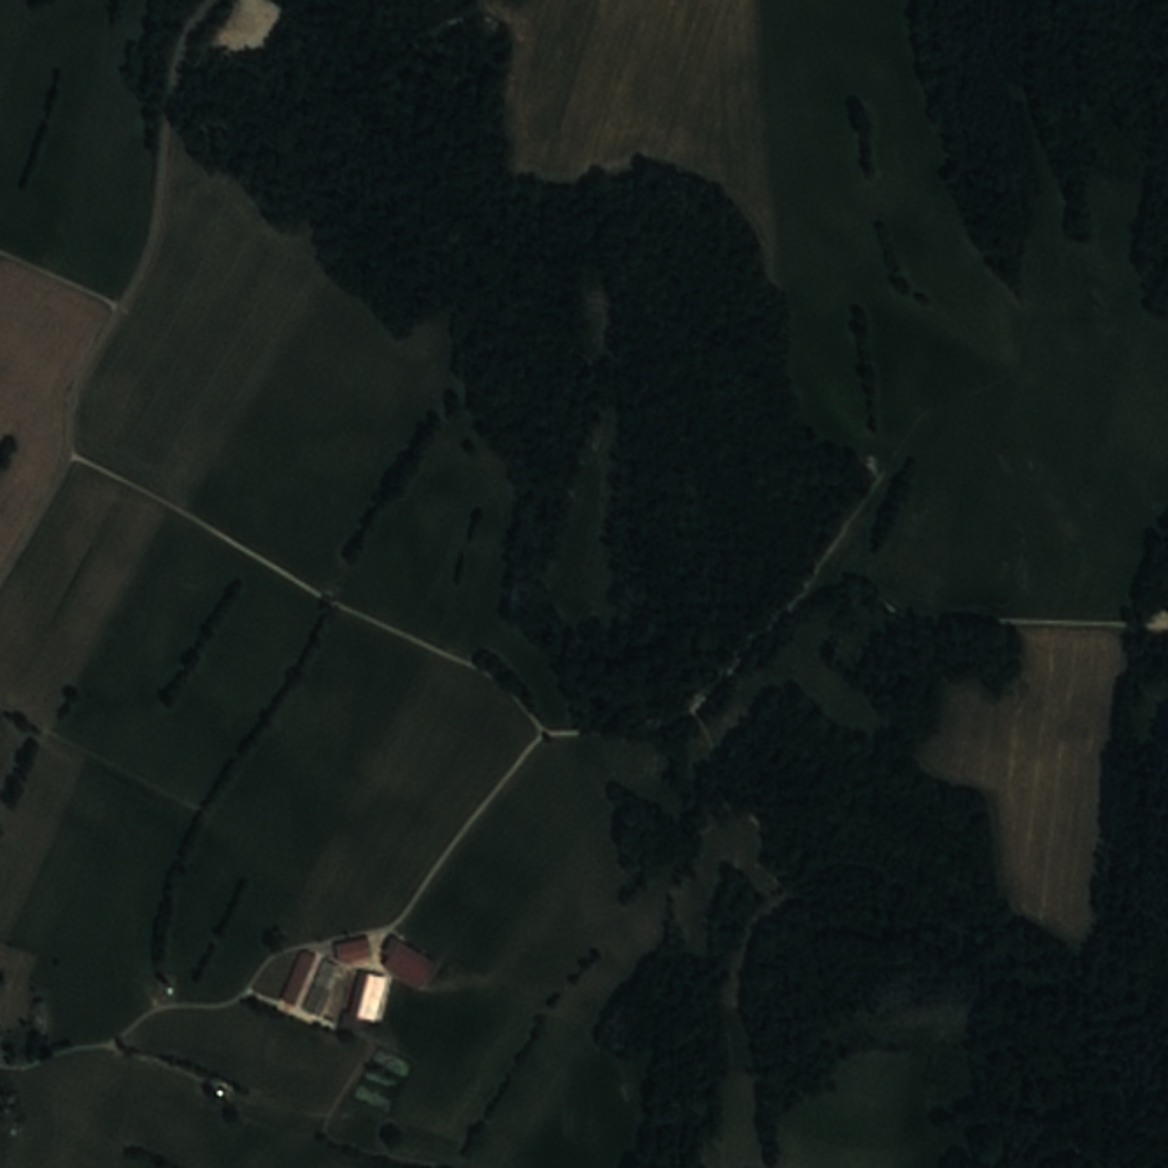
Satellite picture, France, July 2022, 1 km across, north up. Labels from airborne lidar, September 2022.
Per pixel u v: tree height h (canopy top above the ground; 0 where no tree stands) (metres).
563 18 0
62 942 0
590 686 18
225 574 0
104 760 0
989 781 0
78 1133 0
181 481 0
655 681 15
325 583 0
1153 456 0
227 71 14
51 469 0
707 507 9
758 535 12
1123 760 19
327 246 21
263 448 0
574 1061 0
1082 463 0
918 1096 0
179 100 13
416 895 0
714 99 0
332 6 20
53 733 0
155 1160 6
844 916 18
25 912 0
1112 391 0
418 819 0
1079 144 18
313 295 0
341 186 17
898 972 19
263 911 0
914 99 0
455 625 0
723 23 0
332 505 0
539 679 0
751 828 0
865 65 0
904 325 0
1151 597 14
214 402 0
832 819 14
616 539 16
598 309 0
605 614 0
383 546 0
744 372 18
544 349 16
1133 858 23
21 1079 0
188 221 0
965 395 0
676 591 14
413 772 0
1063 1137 23
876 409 7
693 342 15
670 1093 14
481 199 18
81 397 0
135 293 0
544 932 0
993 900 19
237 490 0
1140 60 16
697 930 0
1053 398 0
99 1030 0
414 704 0
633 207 17
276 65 15
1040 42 21
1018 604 0
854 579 11
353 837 0
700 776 17
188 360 0
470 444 15
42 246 0
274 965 0
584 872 0
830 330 0
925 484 0
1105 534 0
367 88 16
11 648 0
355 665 0
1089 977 21
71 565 0
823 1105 0
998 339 0
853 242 0
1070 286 0
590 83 0
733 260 15
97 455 0
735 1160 0
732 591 15
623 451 15
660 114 0
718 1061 16
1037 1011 24
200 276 0
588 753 0
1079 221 20
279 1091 0
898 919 9
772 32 0
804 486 18
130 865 0
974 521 0
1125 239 0
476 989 0
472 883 0
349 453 0
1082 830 0
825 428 0
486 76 20
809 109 0
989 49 16
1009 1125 20
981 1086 18
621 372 12
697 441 13
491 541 0
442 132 19
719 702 19
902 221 0
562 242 16
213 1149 0
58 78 10
